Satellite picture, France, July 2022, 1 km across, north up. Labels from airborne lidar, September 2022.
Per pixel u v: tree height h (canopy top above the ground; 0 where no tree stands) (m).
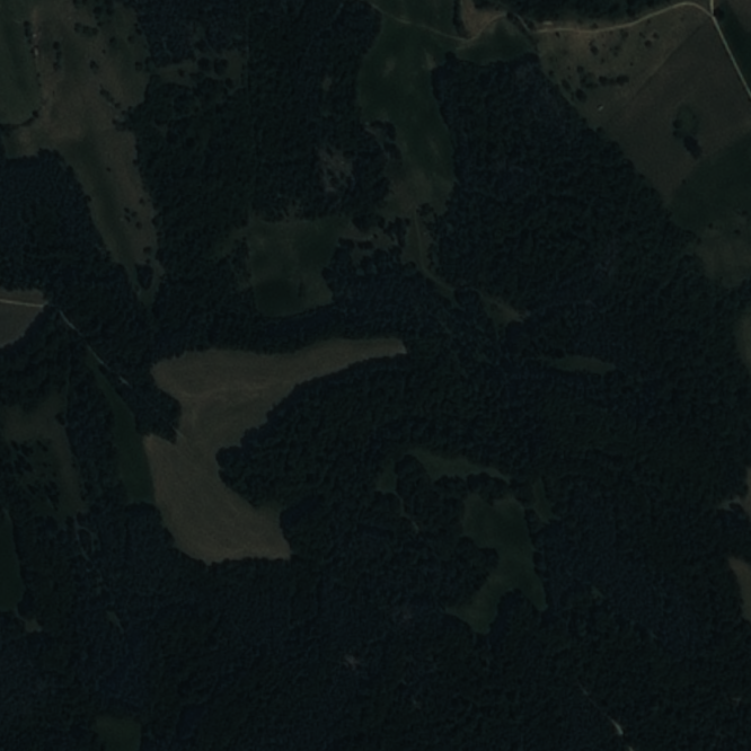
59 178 21
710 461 21
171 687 7
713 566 23
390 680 27
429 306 23
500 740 19
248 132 12
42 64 0
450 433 30
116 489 22
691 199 0
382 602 26
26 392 10
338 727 20
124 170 0
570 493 5
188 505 0
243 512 0
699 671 23
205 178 17
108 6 6
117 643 12
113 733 0
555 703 11
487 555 20
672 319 16
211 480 0
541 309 15
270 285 0
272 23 16
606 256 22
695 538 17
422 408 23
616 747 10
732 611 22
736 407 23
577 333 14
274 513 0
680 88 0
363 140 15
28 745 15
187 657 14
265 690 13
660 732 10
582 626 25
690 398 22
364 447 11
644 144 0
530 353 14
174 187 17
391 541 18
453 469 0
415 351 19
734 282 0
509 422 35
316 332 21
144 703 29
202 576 20
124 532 15
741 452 18
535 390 28
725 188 0
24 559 22
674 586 20
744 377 9
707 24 0
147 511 25
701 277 12
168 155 8
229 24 19
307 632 14
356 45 17
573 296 17
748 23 0
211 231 10
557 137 15
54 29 0
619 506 22
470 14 0
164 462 0
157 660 23
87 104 0
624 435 29
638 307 21
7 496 25
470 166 17
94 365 0
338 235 0
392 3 0
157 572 24
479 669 13
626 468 22
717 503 14
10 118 0
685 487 13
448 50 0
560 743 16
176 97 8
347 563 18
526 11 11
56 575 9
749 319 0
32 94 0
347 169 0
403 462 15
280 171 13
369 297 16
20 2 0
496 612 0
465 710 11
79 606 12
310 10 13
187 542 0
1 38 0
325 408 25
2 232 21
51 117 0
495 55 0
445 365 28
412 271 6
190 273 12
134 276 0
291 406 25
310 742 19
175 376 0
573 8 6
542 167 15
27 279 15
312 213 17
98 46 0
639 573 22
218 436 0
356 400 24
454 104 19
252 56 6
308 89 10
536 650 13
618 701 13
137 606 18
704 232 0
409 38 0
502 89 21
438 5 0
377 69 0
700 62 0
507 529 0
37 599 26
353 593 18
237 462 23
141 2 14
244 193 10
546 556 17
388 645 27
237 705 26
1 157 20
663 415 32
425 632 21
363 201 18
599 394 21
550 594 24
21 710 19
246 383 0
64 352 11
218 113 10
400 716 13
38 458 0
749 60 0
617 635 19
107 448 23
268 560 14
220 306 9
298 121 6
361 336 14
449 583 24
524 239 20
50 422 0
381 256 17
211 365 0
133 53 0
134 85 0
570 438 28
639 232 16
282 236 0
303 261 0
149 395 20
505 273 20
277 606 24
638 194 12
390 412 27
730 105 0
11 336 0
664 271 6
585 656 12
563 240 18
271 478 26
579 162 16
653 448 30
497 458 20
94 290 22
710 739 15
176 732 8
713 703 18
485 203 21
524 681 12
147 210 0
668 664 31
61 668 20
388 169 0
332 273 18
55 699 20
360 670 17
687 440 24
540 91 23
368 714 26
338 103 15
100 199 0
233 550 0
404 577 29
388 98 0
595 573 23
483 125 16
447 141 0
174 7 21
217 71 11
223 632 28
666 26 0
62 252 8
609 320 14
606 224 11
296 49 13
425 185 0
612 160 14
